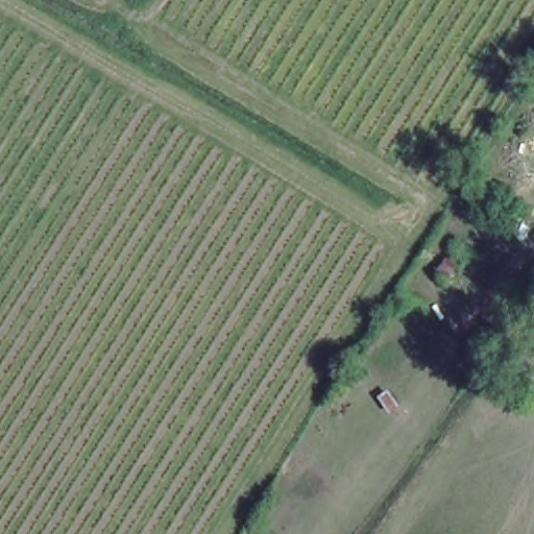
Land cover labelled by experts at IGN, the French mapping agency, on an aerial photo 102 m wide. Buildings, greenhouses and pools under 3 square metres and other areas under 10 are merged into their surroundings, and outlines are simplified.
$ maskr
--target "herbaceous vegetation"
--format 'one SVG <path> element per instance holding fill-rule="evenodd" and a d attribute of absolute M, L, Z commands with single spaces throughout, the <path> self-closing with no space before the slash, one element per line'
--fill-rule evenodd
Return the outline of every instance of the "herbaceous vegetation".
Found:
<path fill-rule="evenodd" d="M 526 106 L 521 100 L 513 100 L 515 94 L 511 90 L 505 90 L 507 100 L 505 106 L 494 113 L 494 121 L 511 119 L 519 106 Z"/>
<path fill-rule="evenodd" d="M 513 136 L 524 138 L 528 134 L 530 123 L 524 115 L 513 121 L 511 131 Z"/>
<path fill-rule="evenodd" d="M 511 471 L 511 467 L 499 461 L 501 453 L 515 444 L 513 430 L 509 430 L 505 436 L 499 436 L 492 428 L 486 428 L 480 438 L 476 438 L 471 432 L 469 417 L 501 417 L 501 413 L 505 411 L 503 407 L 494 407 L 490 401 L 478 396 L 471 401 L 469 409 L 461 417 L 457 417 L 455 426 L 446 432 L 436 451 L 426 459 L 417 476 L 403 490 L 403 494 L 390 507 L 382 526 L 373 534 L 534 534 L 534 474 L 530 474 L 528 469 Z"/>
<path fill-rule="evenodd" d="M 240 165 L 242 159 L 250 159 L 250 169 L 254 173 L 265 169 L 271 173 L 271 181 L 288 181 L 288 192 L 305 192 L 307 207 L 321 202 L 321 213 L 332 215 L 334 211 L 338 211 L 342 215 L 340 223 L 344 227 L 357 223 L 357 236 L 363 236 L 363 240 L 367 240 L 369 236 L 378 236 L 375 250 L 380 252 L 380 257 L 373 261 L 371 269 L 363 277 L 357 298 L 350 302 L 350 309 L 344 315 L 340 315 L 338 323 L 334 325 L 334 334 L 327 340 L 315 342 L 307 350 L 307 363 L 311 369 L 298 380 L 298 384 L 290 392 L 288 401 L 275 415 L 273 423 L 269 426 L 263 440 L 250 455 L 236 484 L 227 490 L 225 499 L 221 501 L 219 509 L 215 511 L 202 534 L 257 534 L 254 528 L 248 524 L 248 517 L 261 501 L 263 492 L 271 486 L 271 482 L 280 484 L 284 503 L 273 513 L 273 526 L 269 534 L 357 534 L 375 513 L 388 490 L 405 474 L 409 463 L 423 451 L 426 438 L 430 438 L 432 428 L 438 426 L 444 411 L 448 409 L 451 392 L 469 378 L 467 340 L 478 332 L 490 330 L 494 325 L 499 313 L 492 309 L 492 292 L 496 284 L 503 280 L 526 277 L 534 267 L 534 225 L 521 223 L 517 229 L 517 238 L 486 234 L 478 227 L 476 217 L 469 213 L 469 202 L 463 198 L 461 190 L 453 188 L 446 194 L 442 188 L 434 188 L 428 179 L 428 173 L 417 173 L 413 167 L 407 167 L 392 150 L 388 150 L 388 144 L 392 140 L 384 138 L 375 152 L 369 152 L 365 148 L 348 144 L 342 136 L 327 129 L 323 119 L 338 102 L 338 92 L 330 98 L 327 104 L 323 104 L 321 98 L 313 98 L 313 90 L 307 90 L 302 94 L 294 92 L 292 98 L 286 102 L 284 98 L 271 94 L 263 83 L 248 79 L 238 69 L 225 65 L 221 56 L 207 52 L 202 46 L 196 46 L 184 35 L 175 33 L 159 17 L 144 23 L 144 8 L 148 8 L 154 0 L 0 0 L 0 10 L 13 17 L 15 21 L 27 25 L 29 29 L 38 31 L 40 35 L 50 38 L 69 54 L 79 56 L 81 60 L 86 60 L 100 73 L 108 75 L 117 83 L 129 88 L 129 100 L 138 94 L 146 96 L 142 108 L 150 111 L 152 106 L 161 104 L 165 108 L 171 108 L 177 117 L 190 119 L 198 127 L 196 140 L 204 142 L 211 136 L 227 144 L 234 150 L 232 161 L 236 165 Z M 398 280 L 407 273 L 413 259 L 421 252 L 434 225 L 440 219 L 448 219 L 448 227 L 440 238 L 434 257 L 423 265 L 421 273 L 411 284 L 411 290 L 415 294 L 430 300 L 430 311 L 411 311 L 407 315 L 405 319 L 398 319 L 392 325 L 392 330 L 373 334 L 369 330 L 371 311 L 382 307 L 386 300 L 396 290 Z M 467 267 L 453 263 L 448 257 L 448 246 L 455 238 L 471 246 L 471 261 Z M 323 396 L 332 384 L 340 367 L 340 355 L 346 348 L 353 348 L 359 355 L 369 350 L 369 378 L 353 386 L 350 392 L 336 407 L 327 407 L 323 403 Z M 390 390 L 390 394 L 396 398 L 394 407 L 386 411 L 380 403 L 380 392 L 384 390 Z"/>

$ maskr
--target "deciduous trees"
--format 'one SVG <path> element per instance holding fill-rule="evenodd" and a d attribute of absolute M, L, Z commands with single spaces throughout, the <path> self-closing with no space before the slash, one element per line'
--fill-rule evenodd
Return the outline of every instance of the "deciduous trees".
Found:
<path fill-rule="evenodd" d="M 392 330 L 392 325 L 398 319 L 405 319 L 407 315 L 401 307 L 394 307 L 386 300 L 382 307 L 371 311 L 369 330 L 373 334 Z"/>
<path fill-rule="evenodd" d="M 332 384 L 338 390 L 353 386 L 369 378 L 369 350 L 359 355 L 353 348 L 346 348 L 340 355 L 340 367 Z"/>
<path fill-rule="evenodd" d="M 515 94 L 513 100 L 521 100 L 526 106 L 534 106 L 534 50 L 519 60 L 519 67 L 511 77 L 511 90 Z"/>
<path fill-rule="evenodd" d="M 517 417 L 534 417 L 534 267 L 526 277 L 503 280 L 496 284 L 492 292 L 492 309 L 499 313 L 494 325 L 490 330 L 478 332 L 467 340 L 469 378 L 478 396 L 490 401 L 494 407 L 503 407 L 505 411 L 515 413 Z"/>
<path fill-rule="evenodd" d="M 476 217 L 478 227 L 486 234 L 517 238 L 517 229 L 521 223 L 534 225 L 534 204 L 519 198 L 509 184 L 488 179 L 486 173 L 494 159 L 494 152 L 501 148 L 503 140 L 511 131 L 513 121 L 511 119 L 494 121 L 492 131 L 486 134 L 482 142 L 448 150 L 438 159 L 438 171 L 434 175 L 428 173 L 428 179 L 434 188 L 442 188 L 446 194 L 453 188 L 461 190 L 463 198 L 469 202 L 469 213 Z"/>
<path fill-rule="evenodd" d="M 467 267 L 471 261 L 471 246 L 455 238 L 448 246 L 448 257 L 453 263 Z"/>
<path fill-rule="evenodd" d="M 248 524 L 254 528 L 257 534 L 269 534 L 273 526 L 273 513 L 284 503 L 280 484 L 271 482 L 271 486 L 263 492 L 261 501 L 248 517 Z"/>

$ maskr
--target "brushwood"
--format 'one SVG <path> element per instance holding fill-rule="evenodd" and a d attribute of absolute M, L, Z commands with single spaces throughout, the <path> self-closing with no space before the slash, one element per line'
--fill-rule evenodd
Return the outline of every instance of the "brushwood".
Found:
<path fill-rule="evenodd" d="M 353 386 L 338 390 L 332 384 L 323 396 L 323 403 L 327 407 L 336 407 L 350 392 Z"/>
<path fill-rule="evenodd" d="M 394 307 L 401 307 L 407 315 L 411 311 L 430 311 L 430 300 L 415 294 L 411 290 L 411 284 L 421 273 L 423 265 L 434 257 L 440 238 L 448 227 L 448 219 L 440 219 L 434 225 L 421 252 L 413 259 L 407 273 L 398 280 L 396 290 L 386 300 Z"/>

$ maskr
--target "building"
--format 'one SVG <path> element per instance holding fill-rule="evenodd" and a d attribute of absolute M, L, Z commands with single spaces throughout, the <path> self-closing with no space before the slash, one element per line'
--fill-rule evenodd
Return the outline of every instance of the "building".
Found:
<path fill-rule="evenodd" d="M 396 398 L 390 394 L 390 390 L 384 390 L 380 392 L 380 403 L 386 411 L 394 407 Z"/>

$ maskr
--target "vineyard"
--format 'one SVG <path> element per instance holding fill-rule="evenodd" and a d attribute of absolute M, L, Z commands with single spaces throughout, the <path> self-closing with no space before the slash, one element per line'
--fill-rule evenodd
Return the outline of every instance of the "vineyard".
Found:
<path fill-rule="evenodd" d="M 146 96 L 138 94 L 129 100 L 129 88 L 117 83 L 108 75 L 100 73 L 86 60 L 81 60 L 79 56 L 69 54 L 50 38 L 40 35 L 38 31 L 29 29 L 27 25 L 15 21 L 13 17 L 0 10 L 0 534 L 202 534 L 215 511 L 219 509 L 221 501 L 225 499 L 227 490 L 236 484 L 250 455 L 263 440 L 269 426 L 273 423 L 275 415 L 288 401 L 290 392 L 298 384 L 298 380 L 311 369 L 307 363 L 307 350 L 315 342 L 327 340 L 334 334 L 334 325 L 338 323 L 340 315 L 344 315 L 350 309 L 350 302 L 357 298 L 363 277 L 371 269 L 373 261 L 380 257 L 380 252 L 375 250 L 378 236 L 369 236 L 367 240 L 363 240 L 363 236 L 357 236 L 357 223 L 344 227 L 340 223 L 342 215 L 338 211 L 334 211 L 332 215 L 321 213 L 321 202 L 307 207 L 305 192 L 288 192 L 288 181 L 271 181 L 271 173 L 265 169 L 254 173 L 250 169 L 250 159 L 242 159 L 240 165 L 236 165 L 232 161 L 234 150 L 227 144 L 211 136 L 204 142 L 196 140 L 198 127 L 190 119 L 177 117 L 171 108 L 165 108 L 161 104 L 152 106 L 150 111 L 142 108 Z"/>
<path fill-rule="evenodd" d="M 448 150 L 482 142 L 486 134 L 492 131 L 494 121 L 494 113 L 505 106 L 507 100 L 505 90 L 511 90 L 511 77 L 519 67 L 519 60 L 534 50 L 534 0 L 154 0 L 148 8 L 144 8 L 144 23 L 159 17 L 175 33 L 184 35 L 196 46 L 202 46 L 207 52 L 221 56 L 225 65 L 238 69 L 248 79 L 263 83 L 271 94 L 284 98 L 286 102 L 292 98 L 294 92 L 302 94 L 307 90 L 313 90 L 313 98 L 321 98 L 323 104 L 327 104 L 330 98 L 338 92 L 338 102 L 323 119 L 327 129 L 342 136 L 348 144 L 365 148 L 369 152 L 375 152 L 384 138 L 392 140 L 388 144 L 388 150 L 392 150 L 407 167 L 413 167 L 417 173 L 428 173 L 434 175 L 438 171 L 438 159 Z"/>

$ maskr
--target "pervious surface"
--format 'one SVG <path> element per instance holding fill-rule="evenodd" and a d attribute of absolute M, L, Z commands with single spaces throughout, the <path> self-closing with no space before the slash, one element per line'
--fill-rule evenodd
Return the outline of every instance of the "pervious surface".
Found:
<path fill-rule="evenodd" d="M 513 121 L 524 115 L 530 123 L 528 134 L 524 138 L 513 136 L 511 131 L 503 140 L 501 148 L 494 152 L 494 159 L 486 173 L 488 179 L 509 184 L 519 198 L 534 204 L 534 106 L 526 106 L 519 106 L 511 119 Z"/>
<path fill-rule="evenodd" d="M 501 413 L 501 417 L 469 417 L 471 432 L 476 438 L 480 438 L 486 428 L 492 428 L 499 436 L 505 436 L 509 430 L 513 430 L 515 444 L 501 453 L 499 461 L 511 467 L 511 471 L 528 469 L 530 474 L 534 474 L 534 417 L 517 417 L 515 413 L 505 411 Z"/>

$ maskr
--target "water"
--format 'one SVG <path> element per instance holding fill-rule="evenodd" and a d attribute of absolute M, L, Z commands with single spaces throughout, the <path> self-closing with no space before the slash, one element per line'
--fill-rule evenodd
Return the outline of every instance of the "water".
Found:
<path fill-rule="evenodd" d="M 455 426 L 457 417 L 461 417 L 469 409 L 471 401 L 478 396 L 469 378 L 451 392 L 448 409 L 444 411 L 438 426 L 432 428 L 430 438 L 426 438 L 423 451 L 409 463 L 405 474 L 388 490 L 375 513 L 357 534 L 373 534 L 382 526 L 390 507 L 403 494 L 403 490 L 417 476 L 426 459 L 436 451 L 446 432 Z"/>

